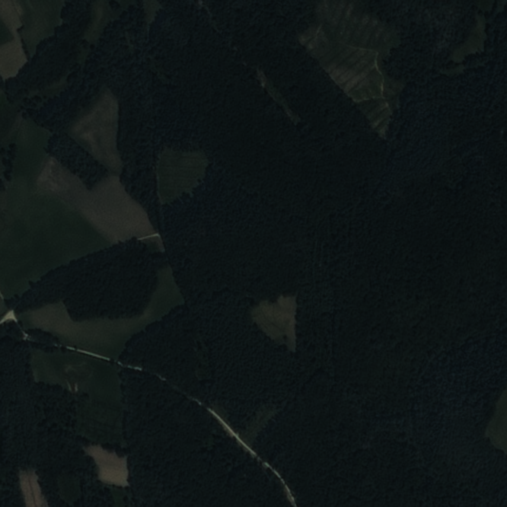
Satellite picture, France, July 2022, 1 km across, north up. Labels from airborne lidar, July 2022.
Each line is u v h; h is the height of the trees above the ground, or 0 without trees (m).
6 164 18
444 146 28
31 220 0
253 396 18
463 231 21
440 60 17
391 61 23
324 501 23
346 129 21
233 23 18
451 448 18
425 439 18
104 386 0
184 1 19
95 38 0
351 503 17
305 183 23
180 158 0
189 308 23
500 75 21
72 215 0
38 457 20
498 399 17
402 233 24
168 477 20
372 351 19
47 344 16
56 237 0
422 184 17
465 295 20
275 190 21
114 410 0
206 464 19
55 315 0
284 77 20
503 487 23
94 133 0
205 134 24
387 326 18
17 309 18
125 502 14
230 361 21
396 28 10
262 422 0
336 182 24
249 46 22
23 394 18
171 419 23
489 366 19
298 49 15
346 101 23
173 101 22
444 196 19
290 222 22
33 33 0
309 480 20
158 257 21
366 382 15
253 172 21
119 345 0
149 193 23
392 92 0
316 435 21
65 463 21
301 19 17
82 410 0
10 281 0
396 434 14
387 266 19
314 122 23
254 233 23
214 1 16
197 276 21
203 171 0
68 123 16
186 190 0
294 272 21
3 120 0
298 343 12
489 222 17
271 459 27
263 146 20
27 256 0
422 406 19
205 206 29
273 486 13
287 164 21
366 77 0
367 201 27
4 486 10
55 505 21
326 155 21
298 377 14
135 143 21
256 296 20
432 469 16
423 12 13
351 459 22
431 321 19
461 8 10
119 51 22
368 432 18
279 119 16
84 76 16
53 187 0
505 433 0
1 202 0
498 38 22
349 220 18
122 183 11
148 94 26
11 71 0
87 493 24
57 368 0
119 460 0
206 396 17
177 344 23
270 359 20
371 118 0
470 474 12
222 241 23
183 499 22
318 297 8
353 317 23
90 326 0
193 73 19
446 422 14
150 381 22
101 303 25
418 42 16
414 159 26
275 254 22
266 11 14
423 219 19
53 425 11
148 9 0
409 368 18
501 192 18
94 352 0
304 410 15
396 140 25
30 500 0
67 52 21
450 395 28
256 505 18
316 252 10
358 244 21
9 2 0
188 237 32
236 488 22
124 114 20
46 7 0
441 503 23
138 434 23
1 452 11
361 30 0
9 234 0
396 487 20
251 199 28
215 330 18
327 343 9
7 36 0
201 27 19
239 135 21
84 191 0
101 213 0
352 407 17
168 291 0
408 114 16
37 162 0
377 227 23
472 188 19
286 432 19
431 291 19
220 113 19
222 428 15
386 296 21
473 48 0
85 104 17
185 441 24
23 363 20
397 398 20
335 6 0
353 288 19
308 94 21
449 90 14
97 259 17
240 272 22
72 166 20
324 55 0
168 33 25
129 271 21
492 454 23
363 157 18
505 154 22
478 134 9
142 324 0
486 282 17
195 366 22
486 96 19
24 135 0
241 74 19
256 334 20
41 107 0
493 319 21
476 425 21
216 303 23
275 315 0
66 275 16
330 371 7
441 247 19
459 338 14
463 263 17
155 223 17
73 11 21
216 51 19
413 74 20
